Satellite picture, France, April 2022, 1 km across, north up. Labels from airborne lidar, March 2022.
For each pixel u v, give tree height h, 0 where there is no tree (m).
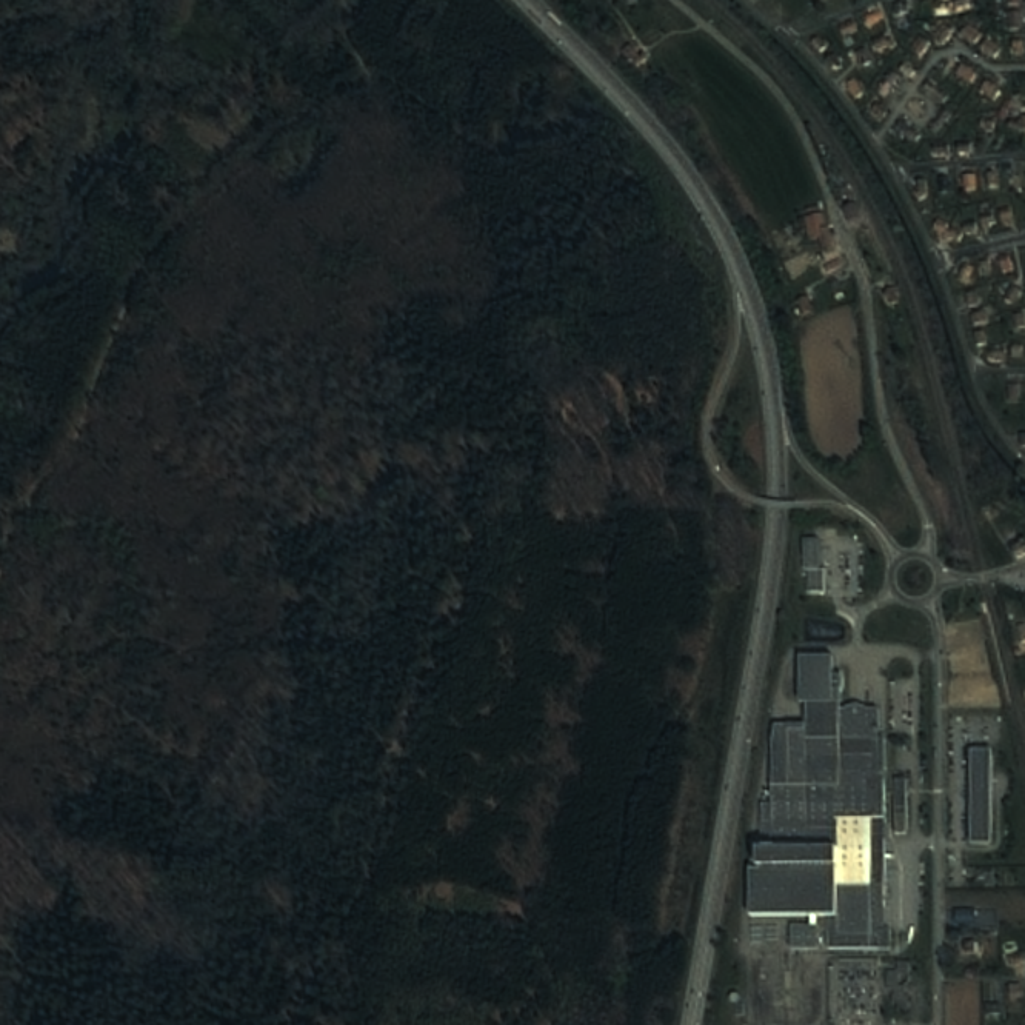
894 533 0
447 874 16
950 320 0
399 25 22
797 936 0
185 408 11
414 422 15
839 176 16
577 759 19
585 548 19
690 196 0
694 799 0
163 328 10
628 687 18
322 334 9
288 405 25
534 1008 21
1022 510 19
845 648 0
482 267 17
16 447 14
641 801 29
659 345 30
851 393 0
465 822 15
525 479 27
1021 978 0
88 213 21
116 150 7
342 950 25
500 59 23
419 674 26
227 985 19
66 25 17
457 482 25
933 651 0
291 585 22
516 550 16
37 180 6
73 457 13
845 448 0
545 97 9
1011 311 0
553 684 18
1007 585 0
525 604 18
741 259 0
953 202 0
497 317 22
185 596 10
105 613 11
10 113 29
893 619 0
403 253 12
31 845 31
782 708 0
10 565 15
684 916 0
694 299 22
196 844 17
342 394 7
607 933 20
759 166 0
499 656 19
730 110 0
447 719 15
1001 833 0
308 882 22
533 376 28
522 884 11
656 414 19
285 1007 14
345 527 20
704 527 18
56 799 9
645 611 22
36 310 33
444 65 21
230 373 22
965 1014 0
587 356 23
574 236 28
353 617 18
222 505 10
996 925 0
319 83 15
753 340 0
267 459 11
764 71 0
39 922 26
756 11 0
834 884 0
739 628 0
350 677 18
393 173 13
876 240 0
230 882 17
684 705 10
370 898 24
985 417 0
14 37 23
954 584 0
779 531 0
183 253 15
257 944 14
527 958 26
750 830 0
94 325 27
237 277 13
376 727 22
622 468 31
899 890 0
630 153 22
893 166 0
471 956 25
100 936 19
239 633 8
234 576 9
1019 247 0
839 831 0
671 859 25
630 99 0
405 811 13
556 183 17
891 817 0
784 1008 0
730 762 0
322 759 19
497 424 16
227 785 26
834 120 10
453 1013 28
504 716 18
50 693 7
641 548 27
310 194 12
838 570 0
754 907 0
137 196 26
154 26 21
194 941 24
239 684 11
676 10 0
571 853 22
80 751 10
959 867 0
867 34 0
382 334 11
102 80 21
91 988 19
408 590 14
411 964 28
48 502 13
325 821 18
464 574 20
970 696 0
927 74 0
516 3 0
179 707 9
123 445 12
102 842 24
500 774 12
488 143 27
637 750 23
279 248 13
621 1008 20
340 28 28
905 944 0
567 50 0
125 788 14
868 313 0
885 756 0
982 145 6
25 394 24
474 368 21
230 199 16
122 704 8
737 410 0
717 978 0
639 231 22
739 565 28
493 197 20
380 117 17
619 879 15
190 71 27
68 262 17
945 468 0
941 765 0
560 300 25
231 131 30
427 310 20
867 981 0
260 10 25
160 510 13
